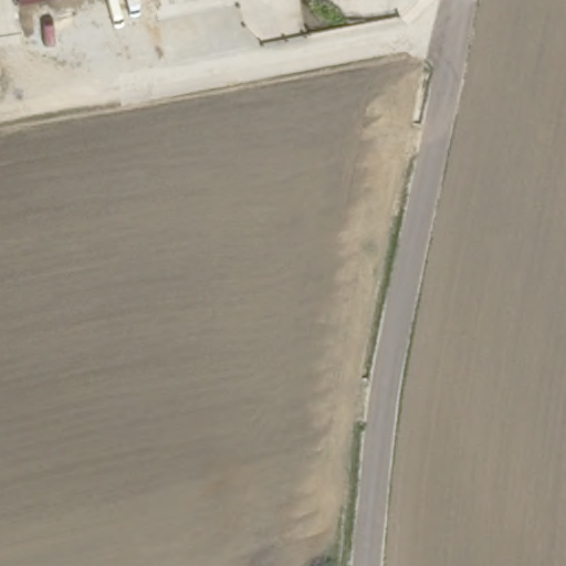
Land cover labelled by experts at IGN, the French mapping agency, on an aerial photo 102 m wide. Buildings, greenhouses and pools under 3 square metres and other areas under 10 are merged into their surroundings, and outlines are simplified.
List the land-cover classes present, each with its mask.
<instances>
[{"label":"plowed land","instance_id":"1","mask_svg":"<svg viewBox=\"0 0 566 566\"><path fill-rule=\"evenodd\" d=\"M473 38L467 44L464 91L449 137L438 214L433 221L422 276L427 279V292L416 334L407 400L402 407L405 411L398 420L387 500L385 566H566V0H473ZM425 57H413L409 53L374 55L363 60L270 75L250 82H232L226 86L181 93L146 106L126 108L119 113L42 124L9 135L0 133V566H307L314 557L325 555L334 542L338 509L347 502L352 429L356 422H365L371 396V385L367 378H363V367L367 356L369 327L374 318L378 290L382 283L389 230L398 212L400 179L411 157L409 150H405V144L407 133L411 130L409 122L418 117L422 104V84L427 77Z\"/></svg>","mask_w":566,"mask_h":566},{"label":"pervious surface","instance_id":"2","mask_svg":"<svg viewBox=\"0 0 566 566\"><path fill-rule=\"evenodd\" d=\"M164 0H0V122L106 102H119L126 108L146 106L181 93L226 86L232 82H250L270 75L363 60L374 55L409 53L413 57H425L429 51L431 31L438 13L436 0H402L398 4L400 15L394 20L347 27L303 38L274 46H259V38L250 33L245 20L241 24L226 20L217 22L212 11L159 18V4Z\"/></svg>","mask_w":566,"mask_h":566},{"label":"impervious surface","instance_id":"3","mask_svg":"<svg viewBox=\"0 0 566 566\"><path fill-rule=\"evenodd\" d=\"M212 11L217 22L226 20L241 24L245 20L250 33L259 38V46H274L303 38L298 31L303 27V13L298 0H164L159 4V18ZM402 0H340L338 9L345 13L347 27L394 20L400 15L398 4ZM438 13L431 31L429 51L425 57L427 77L422 84V104L418 117L422 119L420 130L425 135L418 161L409 177L407 206L391 272V285L382 307L371 371L367 378L371 385V396L365 422V431L360 436L358 493L352 553L347 562L349 566H385L387 500L398 420L409 329L422 276L433 221L438 214L449 137L464 91L467 44L473 38V0H436Z\"/></svg>","mask_w":566,"mask_h":566},{"label":"herbaceous vegetation","instance_id":"4","mask_svg":"<svg viewBox=\"0 0 566 566\"><path fill-rule=\"evenodd\" d=\"M126 108L119 102H106L0 122V133L9 135L42 124L119 113ZM422 119L418 117L409 122L411 130L407 133L405 144V150H409L411 157L400 179L398 212L389 230L382 283L378 290L374 318L369 327L367 356L363 367V378H367L371 371L382 307L391 285V272L407 206L409 177L418 161L425 135L420 130ZM427 292V279L422 276L409 329L398 420L405 411L402 407L407 400L416 334ZM365 431V422H356L352 429L347 502L338 509L334 542L325 555L314 557L307 566H349L347 562L352 553L358 493L360 436Z\"/></svg>","mask_w":566,"mask_h":566},{"label":"brushwood","instance_id":"5","mask_svg":"<svg viewBox=\"0 0 566 566\"><path fill-rule=\"evenodd\" d=\"M303 13V27L298 31L303 38L347 27L345 13L338 9L340 0H298Z\"/></svg>","mask_w":566,"mask_h":566}]
</instances>
